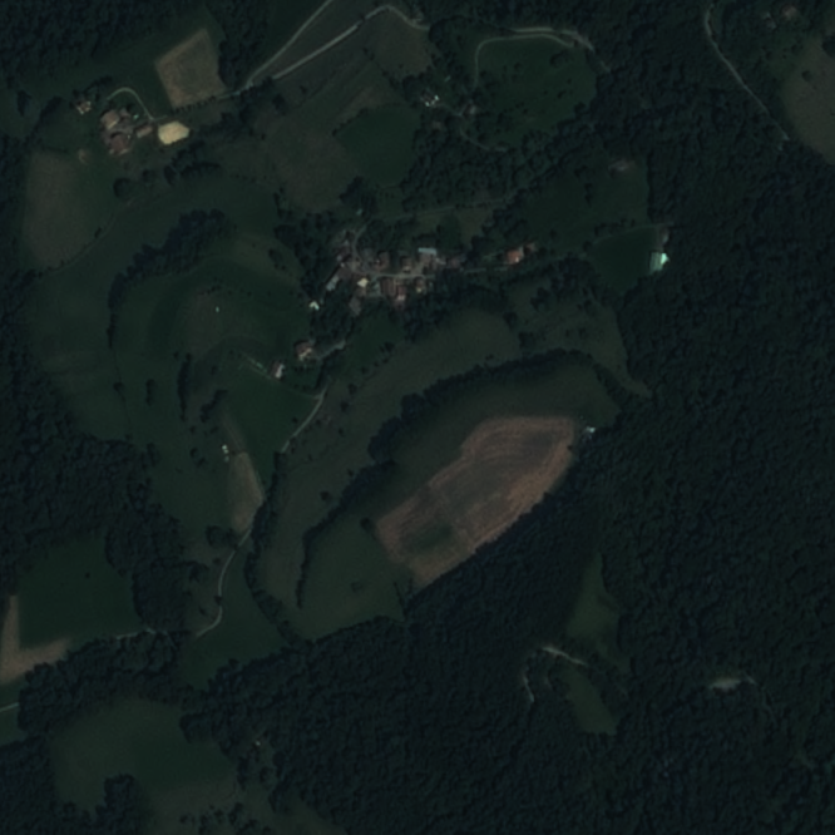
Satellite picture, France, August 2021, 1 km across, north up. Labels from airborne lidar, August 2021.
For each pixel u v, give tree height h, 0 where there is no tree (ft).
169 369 0
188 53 0
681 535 93
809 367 77
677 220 71
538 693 39
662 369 82
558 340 0
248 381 0
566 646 35
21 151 65
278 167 0
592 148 43
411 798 70
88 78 0
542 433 0
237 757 80
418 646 73
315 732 89
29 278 34
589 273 62
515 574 101
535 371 73
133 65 0
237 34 64
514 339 0
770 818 104
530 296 0
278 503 31
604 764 63
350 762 66
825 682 95
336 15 0
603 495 56
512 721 67
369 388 0
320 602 0
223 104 0
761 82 46
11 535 106
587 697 0
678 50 62
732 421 65
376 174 0
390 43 0
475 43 0
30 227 0
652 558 76
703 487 82
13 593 64
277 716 66
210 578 56
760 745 78
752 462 80
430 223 0
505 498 0
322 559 0
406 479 0
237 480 0
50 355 0
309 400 0
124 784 43
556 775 65
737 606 87
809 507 50
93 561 0
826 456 83
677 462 58
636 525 73
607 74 24
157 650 46
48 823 79
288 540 0
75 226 0
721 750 95
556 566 84
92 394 0
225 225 65
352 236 28
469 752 69
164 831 0
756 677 54
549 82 0
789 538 95
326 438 0
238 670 51
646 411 68
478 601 95
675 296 100
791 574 86
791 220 101
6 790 73
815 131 0
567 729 47
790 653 106
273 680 89
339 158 0
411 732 81
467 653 79
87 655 42
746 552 90
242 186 0
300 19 0
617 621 0
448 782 62
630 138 81
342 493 0
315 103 0
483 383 65
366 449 0
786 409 74
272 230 0
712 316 101
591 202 37
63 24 98
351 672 87
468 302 66
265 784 39
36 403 97
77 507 79
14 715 0
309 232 36
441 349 0
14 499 108
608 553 52
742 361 133
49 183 0
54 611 0
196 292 0
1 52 64
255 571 53
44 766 68
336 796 66
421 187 39
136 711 0
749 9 69
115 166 0
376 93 0
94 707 82
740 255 101
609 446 64
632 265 0
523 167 22
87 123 0
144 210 0
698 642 66
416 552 0
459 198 28
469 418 0
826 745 89
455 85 24
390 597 0
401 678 60
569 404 0
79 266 0
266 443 0
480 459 0
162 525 112
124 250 0
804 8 39
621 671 41
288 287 0
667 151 90
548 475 0
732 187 78
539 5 35
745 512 75
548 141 31
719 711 91
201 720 55
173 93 0
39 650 0
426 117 34
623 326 48
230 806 0
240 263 0
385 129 0
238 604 0
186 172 33
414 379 0
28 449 62
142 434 0
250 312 0
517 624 72
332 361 36
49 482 86
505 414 0
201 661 0
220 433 27
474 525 0
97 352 0
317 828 0
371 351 0
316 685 49
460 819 73
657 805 107
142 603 55
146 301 0
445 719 82
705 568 101
